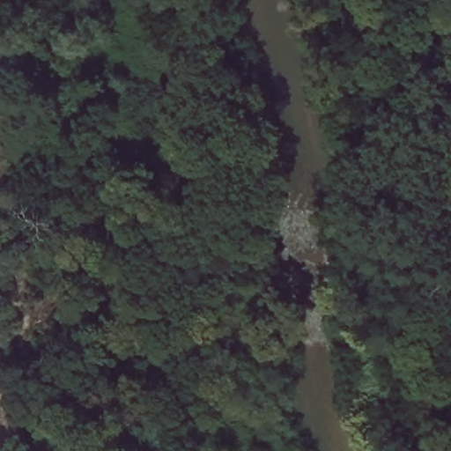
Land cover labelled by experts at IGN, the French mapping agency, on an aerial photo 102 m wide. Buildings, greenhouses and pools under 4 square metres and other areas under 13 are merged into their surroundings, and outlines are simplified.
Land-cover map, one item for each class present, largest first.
<instances>
[{"label":"deciduous trees","instance_id":"1","mask_svg":"<svg viewBox=\"0 0 451 451\"><path fill-rule=\"evenodd\" d=\"M238 0H0V451H305L301 446L299 433L292 428V407L299 403L301 382L298 381V372L301 368V351L307 344L321 342L326 347L328 358L326 368L331 391L329 414L333 416L336 425L340 426L351 451H451V0H278V11L284 14L285 37L301 56V65L296 72V86L299 95L303 97L305 111L317 116V134L322 143L319 152L321 187L324 192L322 210L298 211L296 204L284 206V199H280V192L287 189L285 178L296 171V150L292 146L291 132L278 118V111L284 107V93L271 92L270 83L259 78V55L255 51L254 42L241 39L238 33L240 26L245 23V16L236 11ZM278 236L284 241L282 257H292L294 261L303 262L305 270L312 273V296L305 301L292 296L291 292L278 299L277 291L271 287V277L278 273V264L273 255V250L278 245Z\"/></svg>","mask_w":451,"mask_h":451},{"label":"water","instance_id":"2","mask_svg":"<svg viewBox=\"0 0 451 451\"><path fill-rule=\"evenodd\" d=\"M236 11L245 16V23L240 26L238 33L241 39L254 42L255 51L259 55V78L270 83L271 92L284 93V107L278 111V118L291 132L292 146L296 150V171L285 178L287 189L280 192V199H284V206L296 204L298 211L322 210L324 192L321 187L319 152L322 143L317 134V116L305 111L303 97L299 95L296 86V72L301 65V56L285 37L284 14L278 11V0H238ZM284 241L278 236V245L273 250V255L278 264V273L271 277V287L277 291L278 299L291 292L292 296L305 301L312 296V273L305 270L303 262L294 261L292 257H282ZM328 358L326 347L321 342L307 344L301 351V368L298 372V381L301 382L299 403L292 407V428L299 433L301 446L305 451H351L340 426L336 425L333 416L329 414L331 391L326 368Z\"/></svg>","mask_w":451,"mask_h":451}]
</instances>
